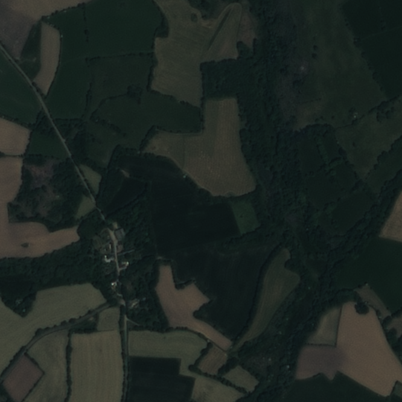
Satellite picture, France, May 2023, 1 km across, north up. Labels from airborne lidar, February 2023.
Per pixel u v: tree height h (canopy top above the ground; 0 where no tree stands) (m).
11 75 0
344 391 0
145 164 0
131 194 0
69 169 12
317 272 0
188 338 0
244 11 0
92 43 0
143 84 0
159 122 0
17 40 0
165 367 0
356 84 0
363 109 0
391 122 0
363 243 17
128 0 0
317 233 10
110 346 0
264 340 9
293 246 11
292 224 0
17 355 10
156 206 0
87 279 10
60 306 0
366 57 8
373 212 15
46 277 9
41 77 0
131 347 0
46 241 0
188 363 0
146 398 0
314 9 0
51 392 0
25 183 10
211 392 0
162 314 11
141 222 6
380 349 0
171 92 0
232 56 0
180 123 0
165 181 0
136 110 0
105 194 15
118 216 12
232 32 0
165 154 0
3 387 9
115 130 10
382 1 0
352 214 0
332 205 12
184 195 0
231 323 0
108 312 0
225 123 0
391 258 0
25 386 0
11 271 9
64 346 0
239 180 0
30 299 13
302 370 0
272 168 15
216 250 0
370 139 0
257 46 18
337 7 0
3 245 0
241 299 0
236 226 0
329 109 0
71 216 9
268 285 0
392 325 0
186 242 0
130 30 0
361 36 0
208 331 0
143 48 0
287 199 9
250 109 16
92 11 0
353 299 15
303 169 0
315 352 0
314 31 0
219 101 0
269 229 16
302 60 0
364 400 0
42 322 0
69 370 7
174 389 0
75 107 0
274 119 13
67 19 0
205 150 0
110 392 0
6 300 7
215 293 0
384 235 0
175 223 0
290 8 0
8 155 0
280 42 6
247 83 19
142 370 0
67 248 8
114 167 10
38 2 0
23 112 0
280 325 11
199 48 0
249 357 0
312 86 0
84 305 0
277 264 0
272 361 0
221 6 0
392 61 0
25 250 0
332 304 13
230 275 0
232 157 0
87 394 0
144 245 10
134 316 7
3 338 0
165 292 0
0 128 0
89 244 10
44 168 0
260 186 9
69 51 0
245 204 0
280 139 19
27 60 0
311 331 11
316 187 0
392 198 13
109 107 0
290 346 10
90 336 0
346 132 0
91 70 0
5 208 0
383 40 0
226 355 0
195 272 0
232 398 0
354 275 0
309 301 0
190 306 0
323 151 14
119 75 0
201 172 0
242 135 14
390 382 0
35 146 0
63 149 0
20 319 0
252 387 0
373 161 0
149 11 0
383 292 0
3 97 0
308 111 0
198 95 0
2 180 0
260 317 0
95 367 0
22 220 8
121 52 0
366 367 0
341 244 13
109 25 0
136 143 0
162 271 0
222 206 0
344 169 0
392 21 0
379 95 0
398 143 15
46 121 10
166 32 0
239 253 0
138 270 6
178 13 0
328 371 0
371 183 0
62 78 0
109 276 8
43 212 0
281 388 9
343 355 0
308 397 0
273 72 22
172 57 0
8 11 0
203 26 0
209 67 14
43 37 0
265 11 8
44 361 0
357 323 0
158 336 0
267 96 13
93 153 0
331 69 0
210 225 0
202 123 13
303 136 20
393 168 0
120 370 0
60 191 8
